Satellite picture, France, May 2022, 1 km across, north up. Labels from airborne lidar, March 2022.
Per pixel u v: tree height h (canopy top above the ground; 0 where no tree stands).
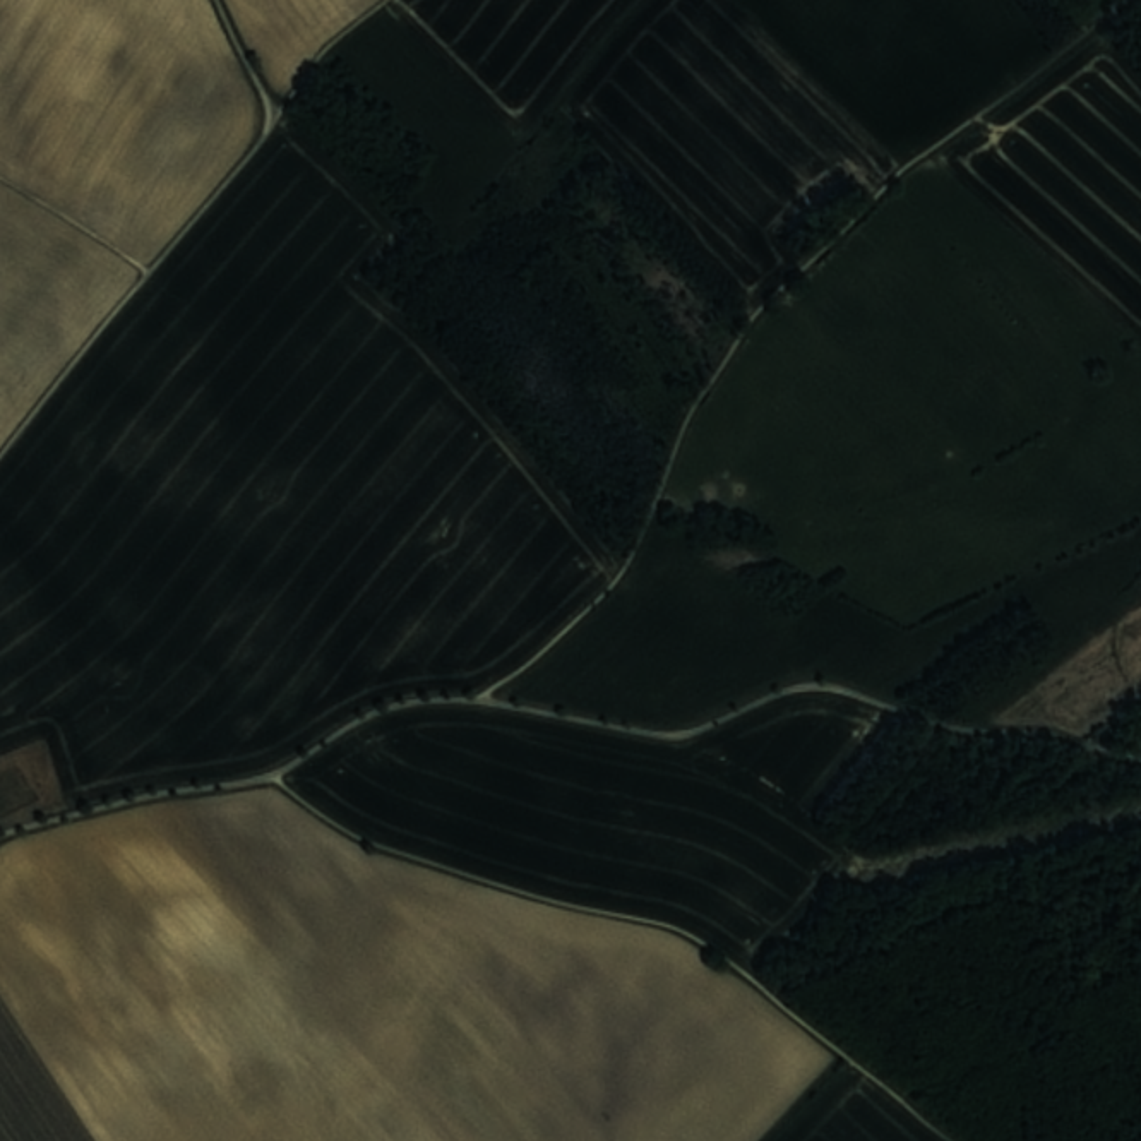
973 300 0
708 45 0
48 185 0
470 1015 0
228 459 0
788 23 0
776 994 13
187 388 0
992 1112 11
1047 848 20
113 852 0
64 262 0
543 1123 0
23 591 0
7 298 0
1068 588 0
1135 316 0
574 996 0
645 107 0
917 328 0
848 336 0
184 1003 0
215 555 0
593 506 13
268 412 0
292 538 0
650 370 0
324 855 0
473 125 0
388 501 0
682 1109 0
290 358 0
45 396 0
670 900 0
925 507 0
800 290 13
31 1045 0
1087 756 19
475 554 0
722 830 0
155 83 0
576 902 0
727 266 0
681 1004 0
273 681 0
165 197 0
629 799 0
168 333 0
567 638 0
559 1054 0
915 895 26
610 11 0
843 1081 0
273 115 0
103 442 0
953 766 17
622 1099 0
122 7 0
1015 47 0
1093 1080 14
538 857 0
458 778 0
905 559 0
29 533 0
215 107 0
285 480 0
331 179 0
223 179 0
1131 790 20
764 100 0
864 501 0
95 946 0
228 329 0
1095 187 0
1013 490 0
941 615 10
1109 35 19
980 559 0
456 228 0
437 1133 0
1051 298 0
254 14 0
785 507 0
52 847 0
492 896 0
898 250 0
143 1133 0
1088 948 30
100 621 0
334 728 0
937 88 0
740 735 0
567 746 0
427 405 0
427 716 0
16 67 0
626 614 0
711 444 0
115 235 0
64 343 0
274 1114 0
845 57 0
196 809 0
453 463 0
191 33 0
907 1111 0
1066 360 0
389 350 0
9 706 0
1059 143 0
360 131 22
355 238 0
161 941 0
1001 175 0
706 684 0
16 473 0
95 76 0
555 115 0
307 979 0
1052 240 0
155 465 0
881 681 0
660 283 0
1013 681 0
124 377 0
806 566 0
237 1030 0
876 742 14
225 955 0
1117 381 0
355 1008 0
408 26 0
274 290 0
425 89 0
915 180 0
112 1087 0
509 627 0
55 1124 0
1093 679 0
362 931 0
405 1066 0
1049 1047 18
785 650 0
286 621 0
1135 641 0
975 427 0
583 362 25
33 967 0
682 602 0
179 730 0
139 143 0
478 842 0
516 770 0
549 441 17
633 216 24
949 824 21
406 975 0
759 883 0
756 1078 0
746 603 0
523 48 0
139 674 0
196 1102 0
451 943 0
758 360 0
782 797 0
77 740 0
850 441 0
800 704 0
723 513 16
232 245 0
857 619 0
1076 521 0
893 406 0
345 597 0
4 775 0
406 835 0
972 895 25
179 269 0
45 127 0
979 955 17
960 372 0
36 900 0
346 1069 0
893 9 0
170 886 0
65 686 0
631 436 22
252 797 0
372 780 0
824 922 21
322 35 0
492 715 0
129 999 0
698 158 0
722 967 14
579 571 0
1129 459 0
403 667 0
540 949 0
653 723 0
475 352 22
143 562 0
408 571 0
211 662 0
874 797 24
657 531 0
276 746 0
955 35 0
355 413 0
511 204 0
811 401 0
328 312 0
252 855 0
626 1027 0
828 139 0
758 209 0
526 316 21
